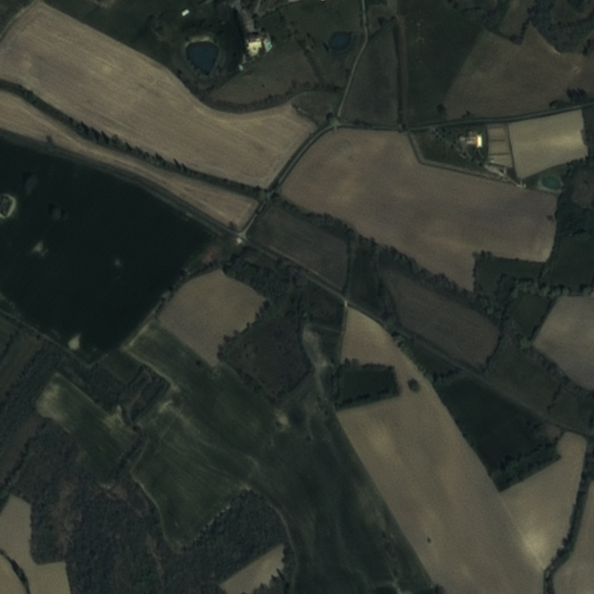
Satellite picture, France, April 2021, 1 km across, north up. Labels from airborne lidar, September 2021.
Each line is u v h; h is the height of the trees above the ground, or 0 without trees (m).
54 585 0
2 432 8
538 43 0
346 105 0
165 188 0
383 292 13
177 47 0
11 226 0
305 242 0
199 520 0
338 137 0
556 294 14
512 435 0
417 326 0
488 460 0
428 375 11
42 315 0
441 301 0
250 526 17
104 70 0
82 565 12
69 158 0
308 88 14
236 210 0
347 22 0
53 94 0
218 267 16
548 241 0
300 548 0
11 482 15
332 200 0
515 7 0
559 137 0
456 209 0
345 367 10
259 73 0
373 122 0
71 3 0
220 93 0
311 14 0
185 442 0
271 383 0
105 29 0
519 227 0
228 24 0
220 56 0
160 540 14
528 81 0
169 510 0
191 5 0
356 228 0
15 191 0
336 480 0
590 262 0
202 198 0
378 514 0
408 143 0
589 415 0
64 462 8
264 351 0
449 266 0
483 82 0
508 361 0
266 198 12
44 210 0
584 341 0
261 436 0
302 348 10
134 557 10
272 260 0
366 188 0
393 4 0
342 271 0
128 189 0
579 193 0
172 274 0
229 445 0
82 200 0
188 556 18
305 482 0
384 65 0
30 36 0
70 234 0
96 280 0
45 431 15
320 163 0
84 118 0
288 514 0
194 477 0
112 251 0
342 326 9
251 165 0
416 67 0
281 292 21
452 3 15
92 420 0
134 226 0
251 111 13
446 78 0
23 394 12
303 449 0
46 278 0
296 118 0
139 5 0
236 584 0
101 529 11
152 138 0
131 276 0
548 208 0
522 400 0
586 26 19
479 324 0
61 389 0
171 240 0
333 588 0
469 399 0
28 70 0
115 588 12
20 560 0
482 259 6
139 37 0
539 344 0
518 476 10
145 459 0
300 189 0
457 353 0
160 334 0
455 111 0
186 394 0
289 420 0
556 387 0
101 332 0
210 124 0
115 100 0
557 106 6
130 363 0
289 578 16
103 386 6
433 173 0
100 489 7
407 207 0
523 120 0
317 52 0
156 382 11
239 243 0
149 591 6
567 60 0
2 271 0
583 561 0
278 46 0
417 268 19
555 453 17
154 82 0
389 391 13
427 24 0
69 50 0
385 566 0
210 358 0
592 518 0
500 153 0
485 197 0
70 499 8
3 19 0
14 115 0
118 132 0
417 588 0
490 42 0
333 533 0
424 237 0
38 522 13
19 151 0
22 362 0
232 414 0
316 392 0
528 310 0
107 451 0
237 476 0
